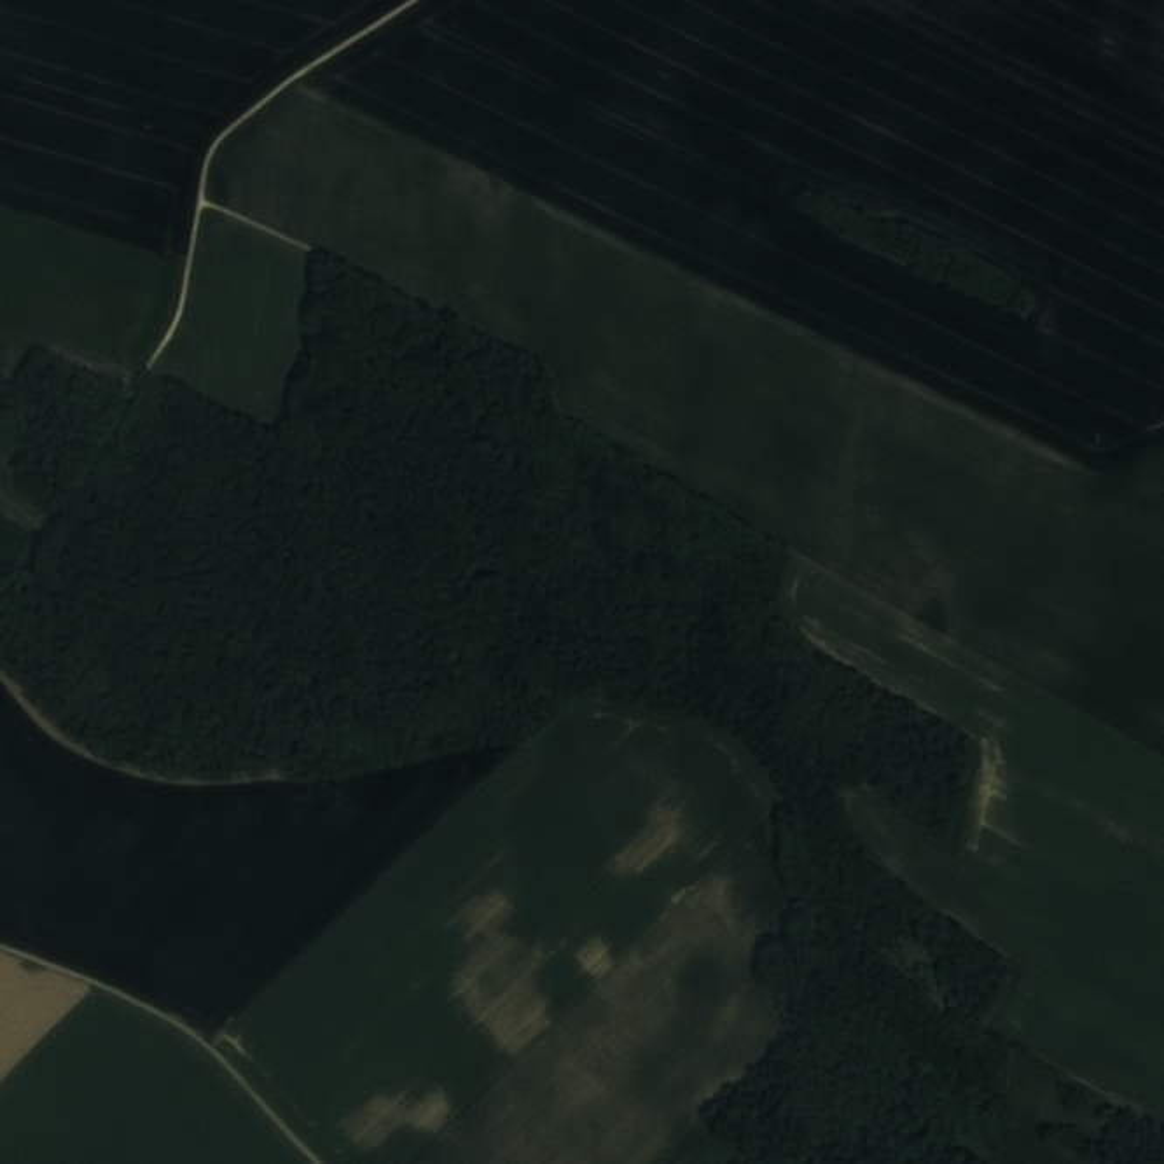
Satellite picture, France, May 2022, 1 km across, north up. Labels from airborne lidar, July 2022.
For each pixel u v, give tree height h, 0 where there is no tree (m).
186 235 0
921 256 16
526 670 25
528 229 0
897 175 0
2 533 13
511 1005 0
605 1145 0
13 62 0
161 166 0
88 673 24
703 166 0
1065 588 0
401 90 0
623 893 0
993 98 0
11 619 24
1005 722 0
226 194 0
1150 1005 0
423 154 0
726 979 0
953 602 0
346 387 21
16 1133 0
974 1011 14
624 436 0
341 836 0
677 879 0
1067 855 0
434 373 23
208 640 21
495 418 24
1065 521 0
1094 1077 0
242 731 22
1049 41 0
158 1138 0
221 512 19
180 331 0
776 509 0
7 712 0
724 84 0
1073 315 0
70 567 21
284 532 25
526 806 0
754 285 0
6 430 19
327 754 26
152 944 0
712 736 0
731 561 24
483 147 0
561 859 0
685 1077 0
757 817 0
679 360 0
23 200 0
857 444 0
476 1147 0
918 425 0
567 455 22
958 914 0
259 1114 0
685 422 0
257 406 0
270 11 0
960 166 0
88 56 0
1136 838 0
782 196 0
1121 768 0
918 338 0
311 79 0
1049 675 0
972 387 0
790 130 0
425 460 19
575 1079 0
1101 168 0
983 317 0
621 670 15
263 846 0
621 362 0
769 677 17
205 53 0
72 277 0
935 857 0
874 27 0
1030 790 0
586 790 0
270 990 0
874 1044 26
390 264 0
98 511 21
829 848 17
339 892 0
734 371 0
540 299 0
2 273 0
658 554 20
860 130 0
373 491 21
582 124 0
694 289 0
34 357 14
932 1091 24
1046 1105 0
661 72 0
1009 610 0
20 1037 0
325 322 21
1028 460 0
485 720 24
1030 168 0
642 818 0
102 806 0
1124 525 0
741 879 0
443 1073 0
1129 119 0
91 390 21
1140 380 0
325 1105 0
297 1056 0
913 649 0
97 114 0
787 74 0
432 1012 0
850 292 0
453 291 0
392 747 28
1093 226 0
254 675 22
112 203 0
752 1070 10
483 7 0
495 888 0
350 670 21
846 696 22
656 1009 0
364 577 17
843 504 0
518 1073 0
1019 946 0
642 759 0
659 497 22
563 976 0
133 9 0
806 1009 23
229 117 0
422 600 20
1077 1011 0
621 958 0
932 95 0
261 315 0
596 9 0
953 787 23
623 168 0
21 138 0
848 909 14
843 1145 23
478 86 0
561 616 20
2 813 0
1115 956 0
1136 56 0
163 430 19
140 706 25
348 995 0
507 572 18
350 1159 0
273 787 0
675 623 21
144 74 0
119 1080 0
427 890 0
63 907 0
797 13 0
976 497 0
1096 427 0
